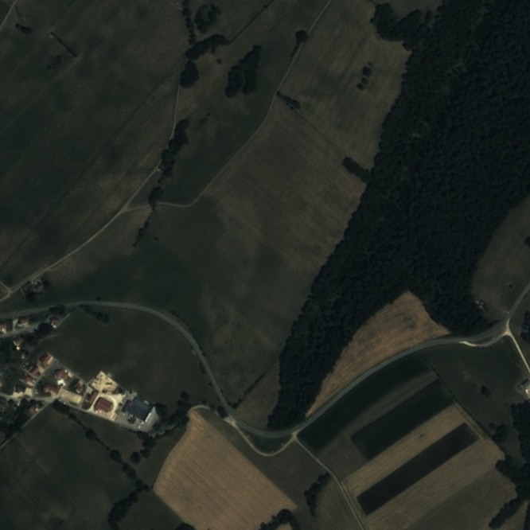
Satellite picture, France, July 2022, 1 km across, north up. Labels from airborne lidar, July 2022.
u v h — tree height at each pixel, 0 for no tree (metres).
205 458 0
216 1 0
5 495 0
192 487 0
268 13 0
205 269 0
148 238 0
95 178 0
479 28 11
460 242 18
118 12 0
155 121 0
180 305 0
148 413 0
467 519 0
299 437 0
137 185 0
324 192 0
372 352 0
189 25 12
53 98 0
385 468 0
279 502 0
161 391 0
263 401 0
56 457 0
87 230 0
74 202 0
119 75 0
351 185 0
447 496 0
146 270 0
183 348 0
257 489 0
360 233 20
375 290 24
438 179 17
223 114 0
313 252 0
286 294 0
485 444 0
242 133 0
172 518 0
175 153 14
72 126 0
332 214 0
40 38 0
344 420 0
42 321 0
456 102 20
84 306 6
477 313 19
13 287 0
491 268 0
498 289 0
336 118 0
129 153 0
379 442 0
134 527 0
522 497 15
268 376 0
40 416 0
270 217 0
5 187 0
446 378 0
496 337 0
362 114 0
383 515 0
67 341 0
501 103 22
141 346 0
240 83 15
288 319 0
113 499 0
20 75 0
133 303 0
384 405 0
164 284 0
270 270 0
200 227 0
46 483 0
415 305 0
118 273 0
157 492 0
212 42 16
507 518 11
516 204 16
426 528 0
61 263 0
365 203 20
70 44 0
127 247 0
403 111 16
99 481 0
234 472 0
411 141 25
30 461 0
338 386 0
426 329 0
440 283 27
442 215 19
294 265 0
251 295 0
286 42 0
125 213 0
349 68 0
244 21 0
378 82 0
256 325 0
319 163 0
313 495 10
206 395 0
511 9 15
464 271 18
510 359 0
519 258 0
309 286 0
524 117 16
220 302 0
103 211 0
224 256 0
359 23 0
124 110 0
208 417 0
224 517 0
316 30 0
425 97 13
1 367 0
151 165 0
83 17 0
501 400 0
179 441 0
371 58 0
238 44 0
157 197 11
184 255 0
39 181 0
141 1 0
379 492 0
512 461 13
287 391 22
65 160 0
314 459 0
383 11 13
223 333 0
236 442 0
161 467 0
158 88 0
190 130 0
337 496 0
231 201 0
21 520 0
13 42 0
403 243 17
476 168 18
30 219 0
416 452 0
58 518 0
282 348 0
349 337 14
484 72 22
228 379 0
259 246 0
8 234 0
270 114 0
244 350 0
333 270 26
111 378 0
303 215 0
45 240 0
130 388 0
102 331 0
